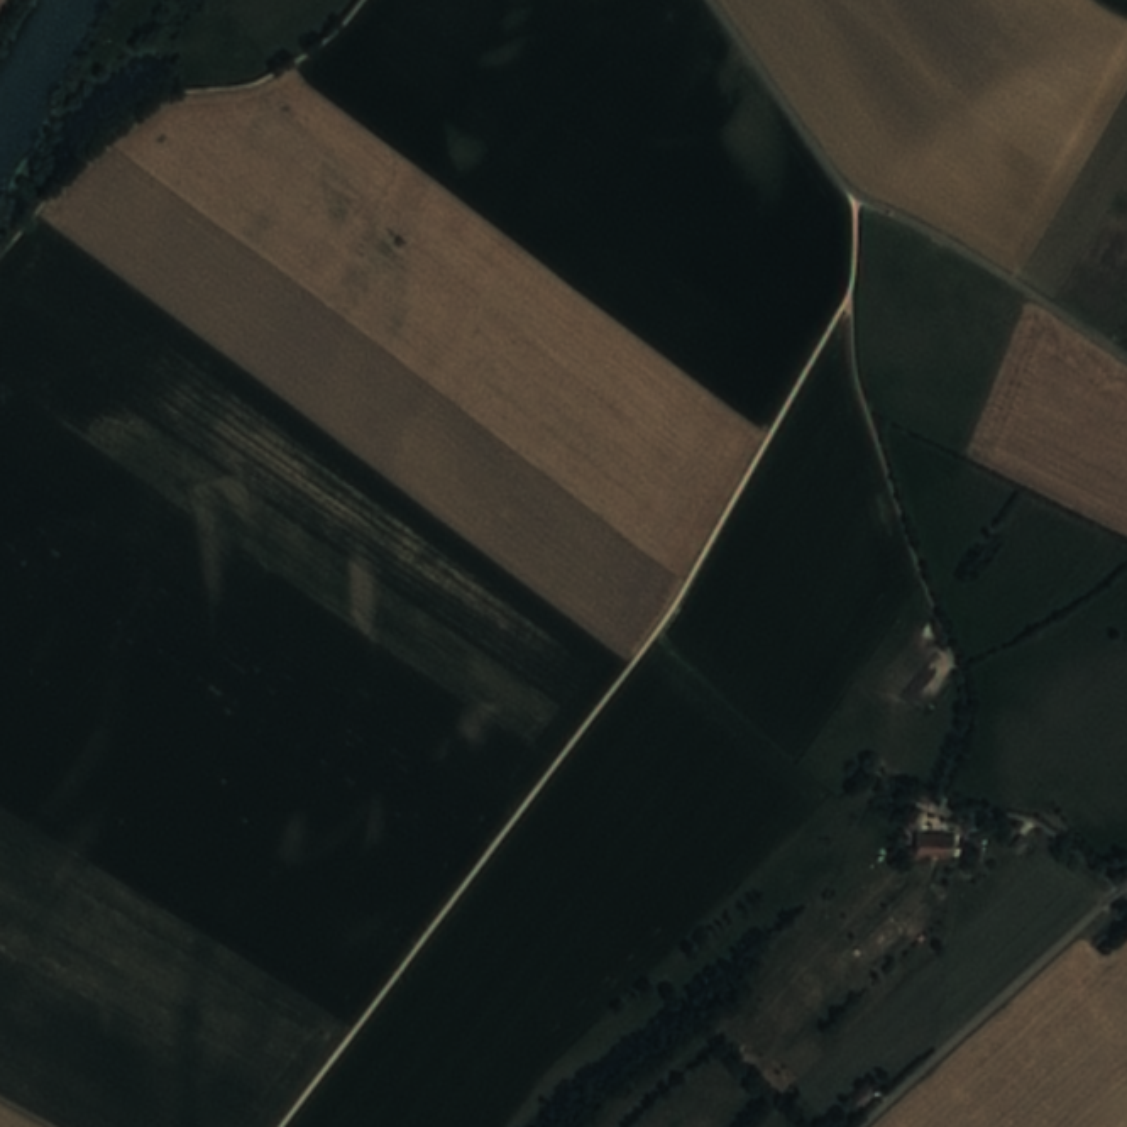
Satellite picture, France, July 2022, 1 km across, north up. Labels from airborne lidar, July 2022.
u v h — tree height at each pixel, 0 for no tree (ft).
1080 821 0
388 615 0
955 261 0
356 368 0
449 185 0
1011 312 0
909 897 0
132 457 0
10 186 0
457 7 0
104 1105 0
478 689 0
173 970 0
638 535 0
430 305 0
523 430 0
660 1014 0
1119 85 0
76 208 0
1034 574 0
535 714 0
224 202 0
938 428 0
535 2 0
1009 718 0
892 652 0
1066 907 0
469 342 0
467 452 0
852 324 0
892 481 33
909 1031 0
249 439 0
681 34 0
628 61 0
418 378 0
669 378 0
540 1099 0
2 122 0
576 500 0
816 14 0
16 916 0
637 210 0
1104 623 0
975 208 0
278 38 0
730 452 0
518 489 0
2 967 0
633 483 0
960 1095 0
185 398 0
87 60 32
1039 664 0
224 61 0
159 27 51
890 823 23
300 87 0
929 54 0
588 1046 0
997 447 0
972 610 0
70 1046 0
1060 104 0
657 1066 56
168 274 0
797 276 0
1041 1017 0
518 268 0
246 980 0
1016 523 0
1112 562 0
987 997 0
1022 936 0
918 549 34
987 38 0
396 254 0
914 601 0
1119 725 0
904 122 0
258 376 0
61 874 0
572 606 0
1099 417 0
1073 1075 0
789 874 0
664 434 0
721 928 44
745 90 0
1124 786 0
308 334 0
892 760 0
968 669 35
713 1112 0
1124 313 0
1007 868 0
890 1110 0
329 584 0
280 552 0
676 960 0
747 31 0
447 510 0
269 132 0
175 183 0
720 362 0
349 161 0
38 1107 0
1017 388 0
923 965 0
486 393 0
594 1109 56
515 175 0
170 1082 0
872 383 0
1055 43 0
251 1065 0
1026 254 0
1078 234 0
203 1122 0
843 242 0
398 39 0
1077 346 0
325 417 0
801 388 0
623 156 0
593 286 0
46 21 0
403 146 0
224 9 0
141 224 0
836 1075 0
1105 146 0
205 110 0
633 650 0
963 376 0
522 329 0
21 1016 0
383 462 0
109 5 41
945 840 0
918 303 0
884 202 0
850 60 0
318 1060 0
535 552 0
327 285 0
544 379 0
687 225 0
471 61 0
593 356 0
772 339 0
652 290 0
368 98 0
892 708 0
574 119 0
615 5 0
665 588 0
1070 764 0
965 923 0
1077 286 0
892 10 0
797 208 0
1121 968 0
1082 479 0
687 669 0
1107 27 0
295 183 0
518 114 0
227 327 0
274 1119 0
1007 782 0
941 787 50
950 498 0
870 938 0
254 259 0
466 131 0
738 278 0
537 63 0
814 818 0
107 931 0
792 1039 0
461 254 0
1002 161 0
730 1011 53
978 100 0
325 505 0
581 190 0
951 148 0
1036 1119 0
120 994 0
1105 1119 0
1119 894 0
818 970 0
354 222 0
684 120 0
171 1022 0
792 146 0
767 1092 52
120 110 108
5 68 0
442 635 0
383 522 0
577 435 0
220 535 0
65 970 0
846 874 0
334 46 0
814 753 0
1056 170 0
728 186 0
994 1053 0
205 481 0
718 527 0
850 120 0
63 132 23
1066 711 0
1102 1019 0
